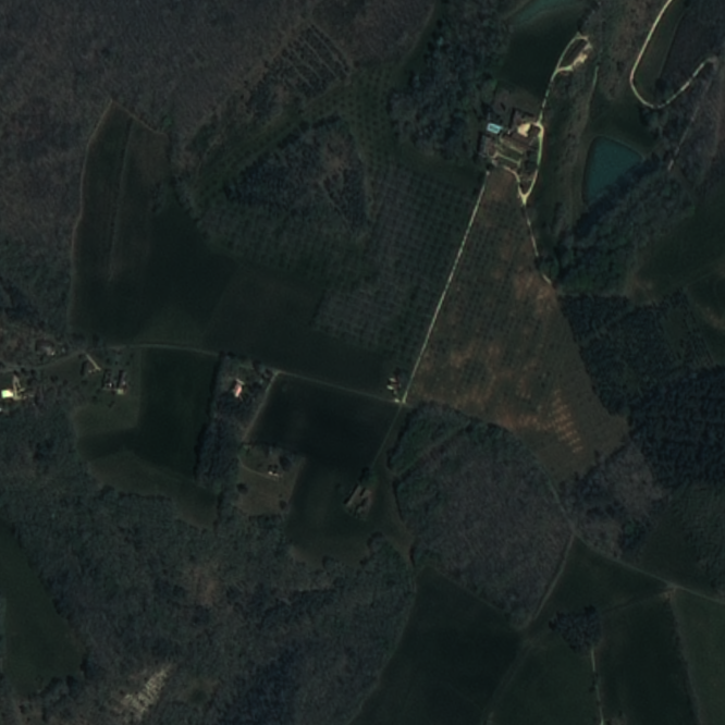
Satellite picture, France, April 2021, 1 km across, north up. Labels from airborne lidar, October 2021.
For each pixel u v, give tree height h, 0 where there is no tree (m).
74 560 16
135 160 0
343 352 0
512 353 7
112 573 22
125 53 20
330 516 0
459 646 0
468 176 0
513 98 0
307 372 0
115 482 0
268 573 18
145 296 0
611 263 24
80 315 0
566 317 10
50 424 20
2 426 15
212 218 9
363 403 0
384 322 9
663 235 13
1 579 0
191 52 19
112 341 0
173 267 0
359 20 7
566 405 0
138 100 20
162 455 0
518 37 0
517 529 21
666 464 18
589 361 10
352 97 9
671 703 0
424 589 0
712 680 0
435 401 0
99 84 17
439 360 9
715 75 22
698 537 13
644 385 10
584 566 0
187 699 0
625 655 0
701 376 8
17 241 16
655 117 18
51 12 21
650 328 12
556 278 10
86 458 0
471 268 7
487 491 17
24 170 11
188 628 17
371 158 11
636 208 24
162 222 0
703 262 0
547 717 0
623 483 20
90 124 17
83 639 19
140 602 17
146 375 0
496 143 8
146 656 15
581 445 0
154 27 21
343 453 0
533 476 17
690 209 21
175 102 17
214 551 14
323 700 11
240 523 15
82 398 10
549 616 0
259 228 8
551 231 13
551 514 20
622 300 10
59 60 17
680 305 9
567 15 0
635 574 0
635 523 17
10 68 17
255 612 13
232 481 22
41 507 17
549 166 0
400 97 14
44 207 10
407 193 10
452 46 9
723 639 0
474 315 11
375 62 11
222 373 16
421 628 0
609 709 0
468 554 23
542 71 0
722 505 6
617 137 0
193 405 0
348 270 8
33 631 0
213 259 0
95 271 0
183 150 21
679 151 16
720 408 26
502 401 0
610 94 8
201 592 11
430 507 18
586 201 0
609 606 0
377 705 0
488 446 17
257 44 14
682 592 0
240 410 20
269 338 0
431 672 0
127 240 0
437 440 18
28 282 17
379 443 0
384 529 0
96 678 26
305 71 12
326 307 11
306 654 13
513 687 0
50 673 0
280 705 8
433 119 15
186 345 0
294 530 0
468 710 0
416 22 15
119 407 0
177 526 13
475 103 23
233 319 0
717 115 20
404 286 9
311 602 17
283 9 13
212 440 25
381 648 15
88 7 22
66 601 23
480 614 0
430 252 7
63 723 16
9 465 15
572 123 6
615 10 20
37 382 9
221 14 14
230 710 17
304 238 11
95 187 0
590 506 25
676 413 19
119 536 12
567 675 0
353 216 16
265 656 17
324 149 10
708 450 19
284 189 20
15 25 13
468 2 26
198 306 0
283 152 18
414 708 0
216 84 15
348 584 16
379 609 16
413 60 0
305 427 0
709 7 19
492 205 9
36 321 11
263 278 0
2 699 20
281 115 19
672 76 6
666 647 0
